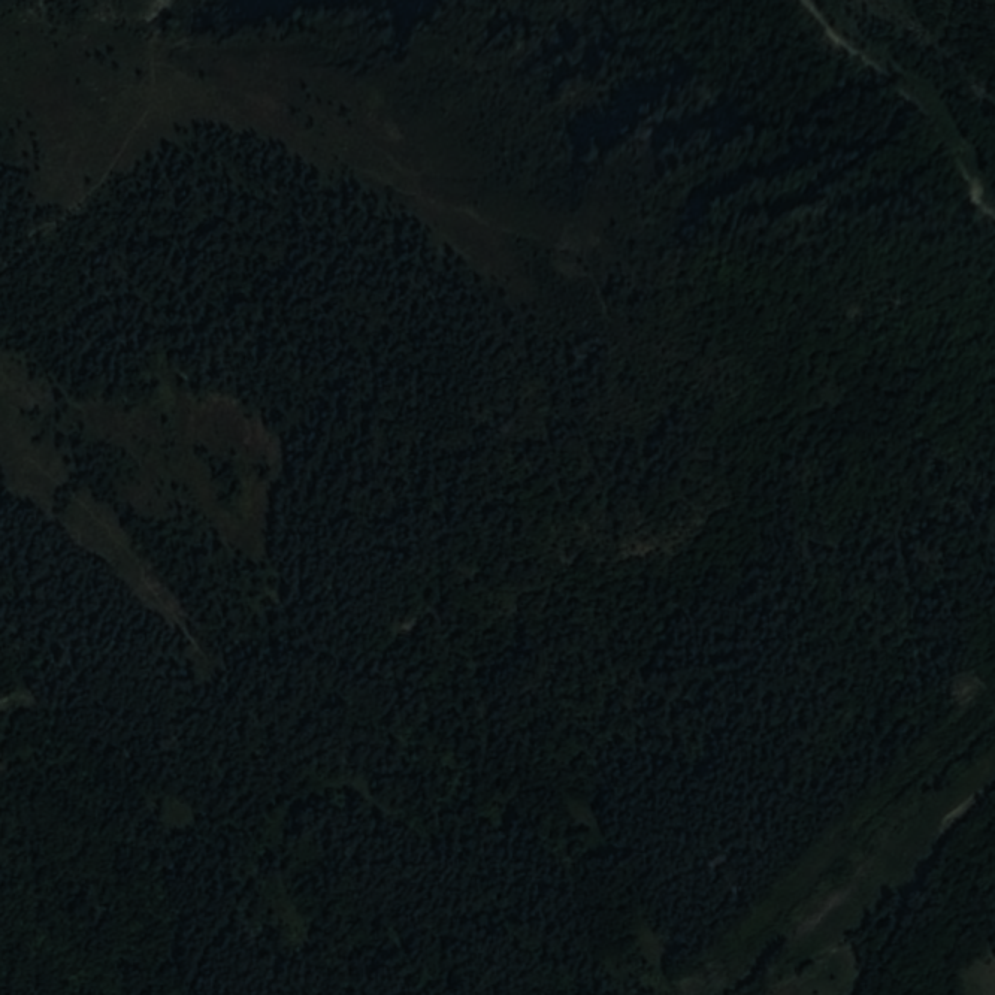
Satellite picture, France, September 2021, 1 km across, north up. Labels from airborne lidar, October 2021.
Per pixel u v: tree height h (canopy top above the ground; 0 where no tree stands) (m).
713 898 27
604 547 7
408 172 0
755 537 16
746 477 17
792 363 14
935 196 15
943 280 21
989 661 20
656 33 12
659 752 14
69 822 9
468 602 11
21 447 0
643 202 8
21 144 0
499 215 0
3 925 15
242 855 25
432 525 21
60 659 26
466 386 13
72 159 0
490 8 12
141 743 25
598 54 18
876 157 21
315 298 22
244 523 0
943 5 9
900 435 13
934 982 21
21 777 12
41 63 0
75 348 21
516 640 10
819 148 16
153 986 11
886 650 15
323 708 17
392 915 23
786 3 10
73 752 13
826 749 18
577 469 15
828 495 18
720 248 8
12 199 13
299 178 20
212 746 14
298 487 16
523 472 12
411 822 14
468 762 12
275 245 13
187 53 0
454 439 7
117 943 17
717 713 25
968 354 22
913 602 19
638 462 19
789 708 26
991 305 21
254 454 0
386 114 0
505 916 12
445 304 22
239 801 15
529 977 21
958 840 18
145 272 12
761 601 13
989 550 14
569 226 0
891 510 12
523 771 17
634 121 21
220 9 7
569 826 7
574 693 10
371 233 18
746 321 16
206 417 0
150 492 0
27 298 8
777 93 13
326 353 21
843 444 21
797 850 27
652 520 11
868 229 9
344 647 21
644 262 7
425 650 21
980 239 24
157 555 15
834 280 10
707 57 15
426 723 8
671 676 25
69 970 9
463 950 20
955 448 12
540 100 6
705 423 16
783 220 12
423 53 0
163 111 0
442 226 0
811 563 7
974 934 25
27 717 13
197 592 12
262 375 9
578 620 13
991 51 15
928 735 20
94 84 0
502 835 14
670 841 21
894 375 16
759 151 16
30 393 0
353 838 26
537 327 10
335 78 0
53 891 10
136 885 14
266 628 9
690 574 13
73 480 12
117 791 13
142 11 0
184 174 19
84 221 12
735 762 28
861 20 8
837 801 23
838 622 18
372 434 15
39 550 22
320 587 22
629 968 6
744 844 24
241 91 0
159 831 13
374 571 23
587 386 23
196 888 28
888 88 16
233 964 26
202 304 15
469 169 0
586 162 16
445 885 26
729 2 11
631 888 17
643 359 7
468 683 11
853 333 20
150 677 14
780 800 28
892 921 16
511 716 15
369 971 11
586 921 25
